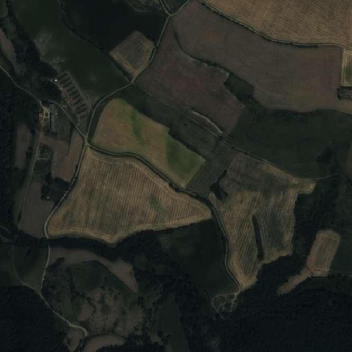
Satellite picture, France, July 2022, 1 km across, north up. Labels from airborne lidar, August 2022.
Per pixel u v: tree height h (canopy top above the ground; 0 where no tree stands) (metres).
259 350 10
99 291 0
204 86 0
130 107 0
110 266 0
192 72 0
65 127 0
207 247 0
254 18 0
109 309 0
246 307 7
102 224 0
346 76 0
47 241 12
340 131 0
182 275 20
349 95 0
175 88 0
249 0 0
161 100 0
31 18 0
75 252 0
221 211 0
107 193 0
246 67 0
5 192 10
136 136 0
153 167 0
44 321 14
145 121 0
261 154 0
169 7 0
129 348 13
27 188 0
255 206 0
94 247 21
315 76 0
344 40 0
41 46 0
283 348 15
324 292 21
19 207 0
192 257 0
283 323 19
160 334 18
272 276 17
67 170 0
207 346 7
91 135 0
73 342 0
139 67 0
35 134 11
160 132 0
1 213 17
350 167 0
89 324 0
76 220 0
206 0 0
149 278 16
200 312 20
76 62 0
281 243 0
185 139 0
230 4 0
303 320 20
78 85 0
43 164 0
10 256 0
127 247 8
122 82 0
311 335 13
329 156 7
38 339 16
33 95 0
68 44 0
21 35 10
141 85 0
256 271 0
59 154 0
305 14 0
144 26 0
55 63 0
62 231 0
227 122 0
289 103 0
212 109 0
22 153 0
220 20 0
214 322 13
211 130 0
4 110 10
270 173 0
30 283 0
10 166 7
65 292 0
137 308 0
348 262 0
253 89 0
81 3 0
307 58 0
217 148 0
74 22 0
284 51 0
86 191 0
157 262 17
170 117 0
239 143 0
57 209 0
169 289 12
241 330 17
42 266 0
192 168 0
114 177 0
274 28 0
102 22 0
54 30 0
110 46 0
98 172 0
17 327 7
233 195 0
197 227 0
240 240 0
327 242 0
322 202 14
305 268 0
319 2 0
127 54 0
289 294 12
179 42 0
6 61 8
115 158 0
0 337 13
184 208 0
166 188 0
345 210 0
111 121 0
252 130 0
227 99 0
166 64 0
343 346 17
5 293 19
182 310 18
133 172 0
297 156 0
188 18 0
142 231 11
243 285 0
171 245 0
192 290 32
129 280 0
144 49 0
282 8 0
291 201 0
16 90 7
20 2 0
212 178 0
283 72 0
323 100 0
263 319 16
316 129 0
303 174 0
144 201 0
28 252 9
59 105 0
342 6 0
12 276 0
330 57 0
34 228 0
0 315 16
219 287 0
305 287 12
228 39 0
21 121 0
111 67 0
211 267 0
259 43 0
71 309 0
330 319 23
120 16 0
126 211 0
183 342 0
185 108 0
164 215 0
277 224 0
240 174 0
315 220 14
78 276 0
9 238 16
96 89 0
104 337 0
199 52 0
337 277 12
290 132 0
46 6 0
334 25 0
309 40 0
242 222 0
